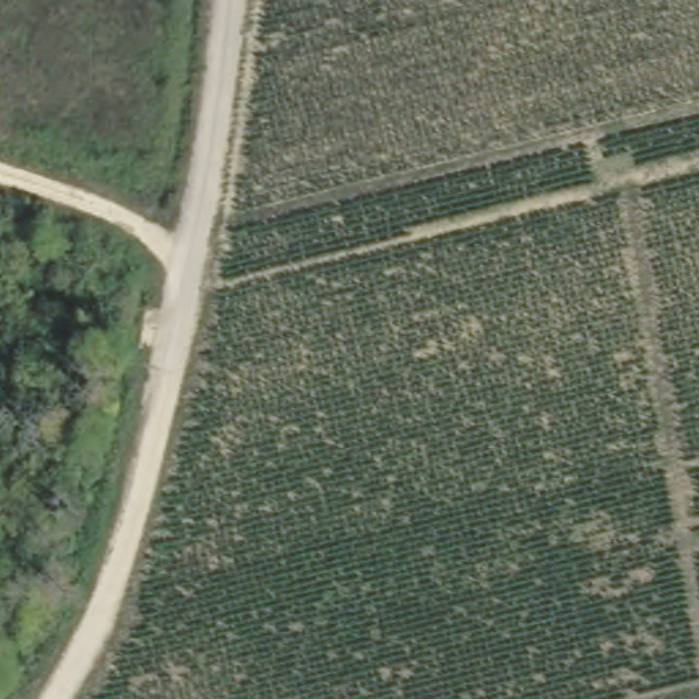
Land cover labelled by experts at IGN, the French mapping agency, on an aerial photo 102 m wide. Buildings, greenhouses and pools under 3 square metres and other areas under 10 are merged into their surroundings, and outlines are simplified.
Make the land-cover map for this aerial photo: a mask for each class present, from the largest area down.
<instances>
[{"label":"vineyard","instance_id":"1","mask_svg":"<svg viewBox=\"0 0 699 699\"><path fill-rule=\"evenodd\" d=\"M199 319L191 339V352L186 360L175 410L156 494L147 511V522L142 530V541L128 573L120 609L115 614V625L74 699H699V0H246L229 131L221 164V188L208 238V259L199 279Z\"/></svg>","mask_w":699,"mask_h":699},{"label":"deciduous trees","instance_id":"2","mask_svg":"<svg viewBox=\"0 0 699 699\"><path fill-rule=\"evenodd\" d=\"M167 273L142 240L98 216L66 208L60 202L44 199L22 188L0 186V407L16 396L14 371L19 352L35 360H46L66 374L60 382V396H68L74 382H79L82 388L87 385V412L79 418V423L66 418L60 434L55 440L44 437L33 459H27V453L19 459L8 456L11 448L19 445V434L11 431V437H0V557H8L11 568L27 576H38L46 568V562L71 568L60 579L55 593H44L41 598H33L27 606L16 603L0 631V699H38L93 598L101 565L109 552V538L123 508L131 464L139 448L145 407L142 393L150 377L153 352L147 344H142V322L147 309L161 306Z\"/></svg>","mask_w":699,"mask_h":699},{"label":"herbaceous vegetation","instance_id":"3","mask_svg":"<svg viewBox=\"0 0 699 699\"><path fill-rule=\"evenodd\" d=\"M175 41L169 33V8L158 5L156 0H0V139L19 137L27 131H57L66 142H82L98 134L101 139L112 142V147H120L134 158L153 156L147 131L156 128L164 117L167 104L161 93L167 87L169 46Z\"/></svg>","mask_w":699,"mask_h":699},{"label":"brushwood","instance_id":"4","mask_svg":"<svg viewBox=\"0 0 699 699\"><path fill-rule=\"evenodd\" d=\"M158 5L169 8V33L175 41L169 46L167 87L161 93L167 104L164 117L156 128L147 131L153 156L134 158L120 147H112V142L101 139L98 134L82 142H66L57 131H27L19 137L0 139V161L112 199L153 224H158L161 229H175L180 221L205 82V49L210 35L213 5L210 0H156Z\"/></svg>","mask_w":699,"mask_h":699},{"label":"impervious surface","instance_id":"5","mask_svg":"<svg viewBox=\"0 0 699 699\"><path fill-rule=\"evenodd\" d=\"M213 5L210 35L205 49V82L180 221L175 229H161L158 224H153L142 240L167 273L161 306L147 309L142 322V344H147L153 352L150 377L142 393L145 407L153 396H158L175 410L186 360L191 352V339L199 319V279L208 259V238L221 188V164L229 131L246 0H210Z\"/></svg>","mask_w":699,"mask_h":699},{"label":"pervious surface","instance_id":"6","mask_svg":"<svg viewBox=\"0 0 699 699\"><path fill-rule=\"evenodd\" d=\"M0 186L22 188L44 199L60 202L66 208L98 216L142 240L153 224L112 199L0 161ZM175 410L158 396H153L145 407L139 448L131 464L123 508L109 538V552L101 565L93 598L38 699H74L115 625V614L120 609L128 573L142 541V530L147 522V511L156 494Z\"/></svg>","mask_w":699,"mask_h":699},{"label":"coniferous trees","instance_id":"7","mask_svg":"<svg viewBox=\"0 0 699 699\"><path fill-rule=\"evenodd\" d=\"M66 374L46 360H35L19 352L14 371L16 396L0 407V437H11V431L19 434V445L11 448L8 456L19 459L27 453V459H33L44 437L55 440L60 434L66 418L79 423V418L87 412V385L82 388L79 382H74L68 396H60V382ZM71 568L46 562V568L38 576H27L11 568L8 557H0V631L16 603L27 606L33 598H41L44 593H55L60 579Z\"/></svg>","mask_w":699,"mask_h":699}]
</instances>
